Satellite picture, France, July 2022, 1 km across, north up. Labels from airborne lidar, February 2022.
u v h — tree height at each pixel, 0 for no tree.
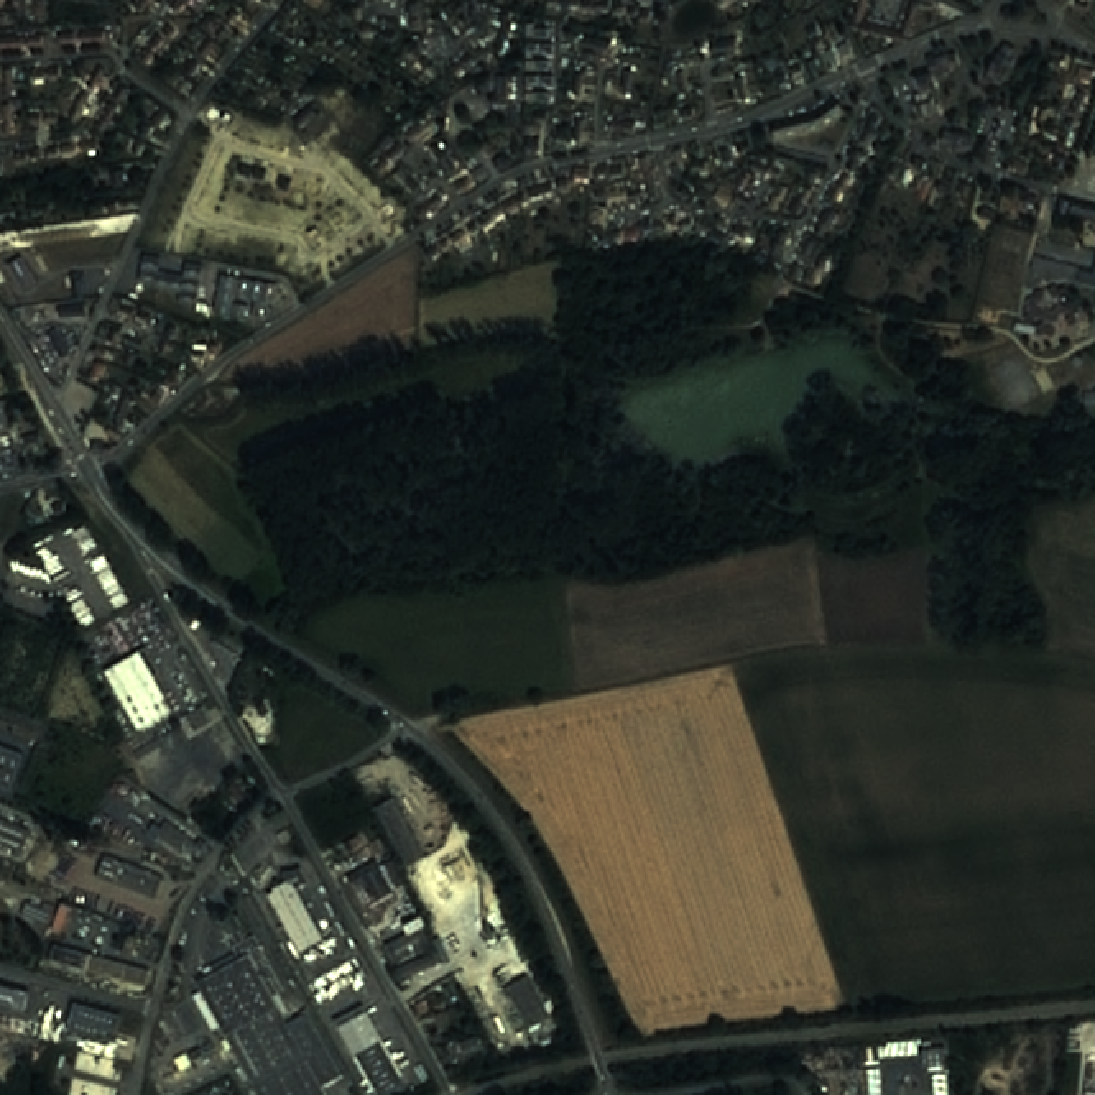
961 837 0
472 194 0
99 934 0
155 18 0
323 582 28
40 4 0
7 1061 0
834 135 0
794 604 0
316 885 0
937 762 0
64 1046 0
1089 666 0
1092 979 0
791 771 0
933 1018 0
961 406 10
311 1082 0
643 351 21
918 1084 0
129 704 0
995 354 0
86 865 0
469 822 18
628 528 26
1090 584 0
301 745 0
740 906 0
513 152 8
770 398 0
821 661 0
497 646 0
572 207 7
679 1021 0
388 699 0
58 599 8
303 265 0
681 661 0
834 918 0
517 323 0
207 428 0
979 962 0
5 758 0
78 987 0
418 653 0
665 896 0
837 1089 0
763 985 0
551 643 0
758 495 8
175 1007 0
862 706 0
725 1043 0
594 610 0
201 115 0
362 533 8
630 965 0
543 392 39
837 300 8
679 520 7
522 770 0
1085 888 0
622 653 0
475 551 23
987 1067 0
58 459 14
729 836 0
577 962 0
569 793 0
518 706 0
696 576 0
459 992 7
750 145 6
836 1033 0
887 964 0
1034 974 0
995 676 0
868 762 0
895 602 0
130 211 0
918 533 0
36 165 0
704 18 0
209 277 0
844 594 0
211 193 0
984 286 0
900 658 0
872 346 14
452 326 0
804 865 0
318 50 0
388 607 0
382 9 0
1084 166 0
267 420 0
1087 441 31
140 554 0
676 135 0
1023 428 9
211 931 0
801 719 0
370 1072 0
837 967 0
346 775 5
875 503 0
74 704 0
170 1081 0
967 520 32
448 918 0
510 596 0
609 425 22
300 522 31
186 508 0
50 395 0
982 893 0
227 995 0
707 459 0
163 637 0
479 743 0
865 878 0
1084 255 0
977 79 14
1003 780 0
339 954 0
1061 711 0
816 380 9
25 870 0
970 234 14
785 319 12
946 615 35
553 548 33
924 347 12
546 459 36
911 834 0
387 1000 0
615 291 7
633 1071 9
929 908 0
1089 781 0
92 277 0
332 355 0
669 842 0
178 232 0
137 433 0
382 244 0
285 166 0
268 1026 0
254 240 0
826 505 0
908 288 0
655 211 0
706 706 0
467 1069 7
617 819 0
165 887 0
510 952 0
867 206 11
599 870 0
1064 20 0
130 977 0
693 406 0
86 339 0
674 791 0
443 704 19
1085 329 0
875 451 7
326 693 14
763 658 0
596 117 0
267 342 0
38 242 0
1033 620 21
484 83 11
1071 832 0
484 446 32
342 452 8
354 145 0
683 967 0
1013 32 0
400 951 0
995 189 14
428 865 0
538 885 0
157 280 0
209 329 7
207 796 19
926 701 0
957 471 33
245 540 0
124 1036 0
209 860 0
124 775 0
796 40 0
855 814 0
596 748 0
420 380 0
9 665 0
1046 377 0
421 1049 0
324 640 0
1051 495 9
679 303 8
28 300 0
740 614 0
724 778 0
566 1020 7
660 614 0
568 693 0
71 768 0
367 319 0
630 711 0
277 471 34
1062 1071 11
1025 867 0
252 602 29
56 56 0
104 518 0
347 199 0
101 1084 0
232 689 10
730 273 19
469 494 30
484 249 0
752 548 10
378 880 0
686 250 14
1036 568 0
